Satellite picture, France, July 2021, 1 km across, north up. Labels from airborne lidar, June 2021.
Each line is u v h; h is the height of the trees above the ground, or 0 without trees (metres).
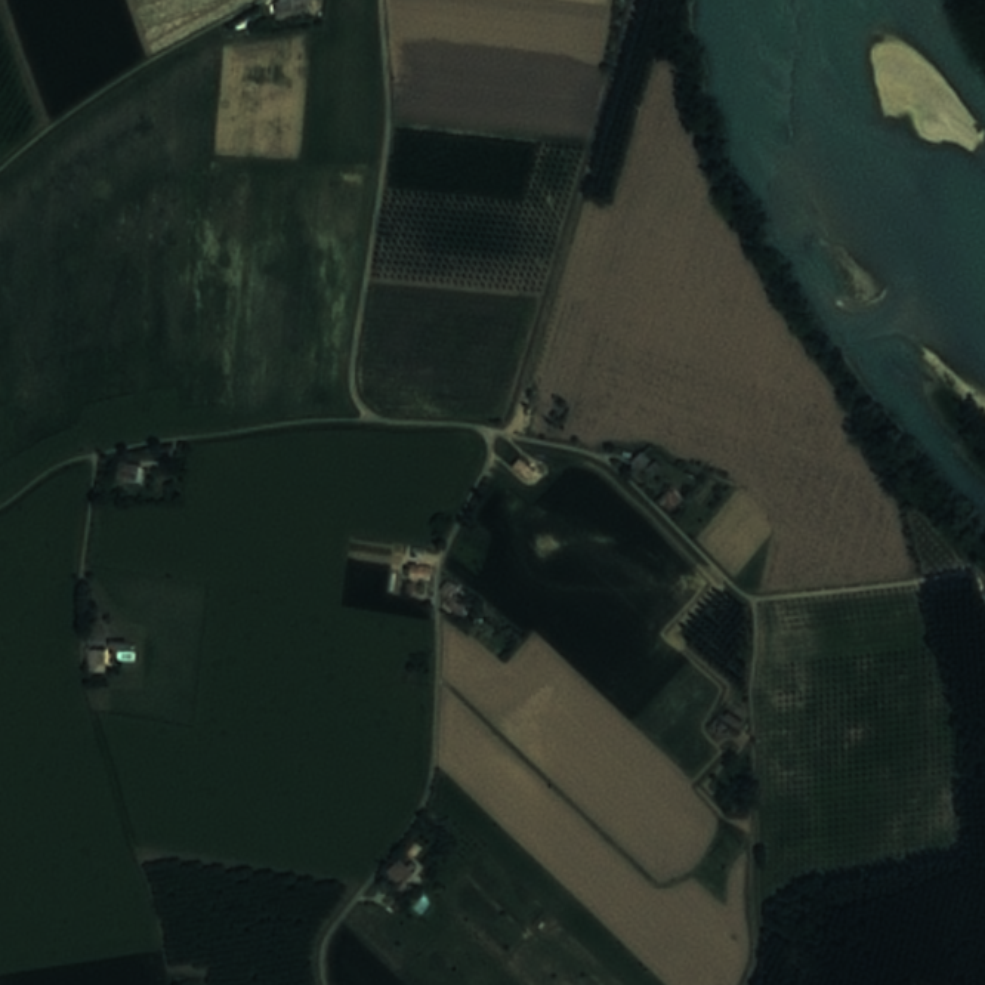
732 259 0
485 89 0
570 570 0
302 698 0
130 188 0
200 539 0
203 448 0
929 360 0
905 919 31
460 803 0
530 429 0
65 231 0
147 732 0
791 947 20
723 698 0
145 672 0
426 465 0
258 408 0
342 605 0
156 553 0
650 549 0
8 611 0
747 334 0
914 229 0
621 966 0
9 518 0
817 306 0
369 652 0
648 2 23
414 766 0
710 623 18
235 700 0
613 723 0
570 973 0
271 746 0
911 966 28
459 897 0
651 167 0
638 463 0
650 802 0
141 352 0
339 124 0
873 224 0
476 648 0
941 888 30
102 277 0
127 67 0
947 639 26
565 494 0
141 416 0
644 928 0
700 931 0
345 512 0
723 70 0
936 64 0
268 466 0
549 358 0
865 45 0
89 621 14
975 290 0
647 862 0
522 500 0
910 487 15
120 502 18
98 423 0
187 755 0
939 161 0
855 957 28
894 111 0
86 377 0
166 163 0
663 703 0
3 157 0
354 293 0
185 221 0
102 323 0
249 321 0
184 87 0
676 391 0
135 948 0
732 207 15
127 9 0
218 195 0
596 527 0
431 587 0
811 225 0
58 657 0
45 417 0
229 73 0
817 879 16
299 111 0
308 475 0
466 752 0
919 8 0
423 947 0
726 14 0
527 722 0
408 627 0
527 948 0
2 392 0
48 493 0
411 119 0
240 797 0
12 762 0
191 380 0
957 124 0
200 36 0
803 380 0
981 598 28
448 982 0
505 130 0
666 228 0
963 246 0
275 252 0
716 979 0
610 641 0
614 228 0
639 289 0
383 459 0
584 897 0
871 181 0
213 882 9
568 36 0
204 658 0
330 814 0
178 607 0
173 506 6
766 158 0
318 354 0
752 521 0
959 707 21
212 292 0
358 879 0
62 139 0
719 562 0
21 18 0
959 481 0
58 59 0
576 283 0
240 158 0
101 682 8
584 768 0
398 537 0
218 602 0
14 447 0
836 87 0
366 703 0
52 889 0
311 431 0
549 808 0
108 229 0
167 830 0
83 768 0
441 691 0
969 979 31
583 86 0
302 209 0
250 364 0
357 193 0
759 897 0
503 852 0
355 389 0
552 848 0
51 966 0
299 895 10
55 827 0
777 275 25
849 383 16
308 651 0
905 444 14
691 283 0
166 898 9
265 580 0
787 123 0
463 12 0
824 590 0
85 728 0
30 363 0
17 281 0
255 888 9
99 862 0
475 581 0
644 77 23
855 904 30
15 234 0
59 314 0
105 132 0
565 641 0
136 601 0
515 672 0
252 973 7
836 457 0
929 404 0
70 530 0
